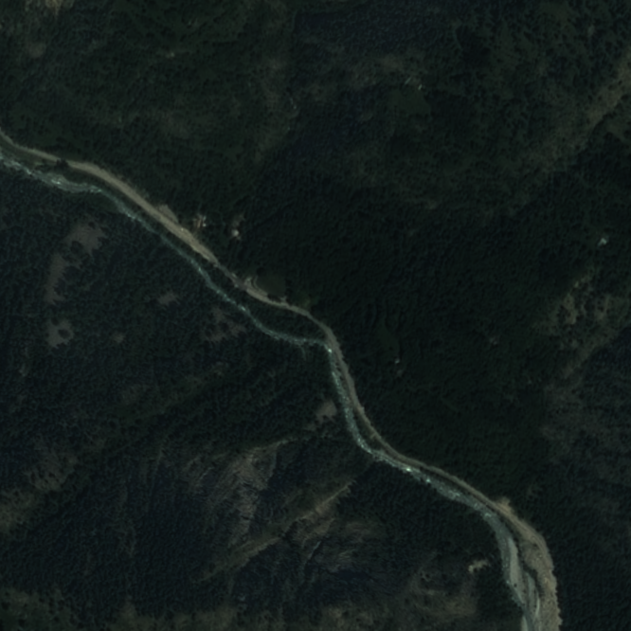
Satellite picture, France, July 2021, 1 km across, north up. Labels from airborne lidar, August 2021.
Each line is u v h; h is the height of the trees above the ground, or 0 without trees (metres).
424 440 16
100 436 9
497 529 0
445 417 17
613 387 7
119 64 11
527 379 18
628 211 11
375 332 17
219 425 9
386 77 7
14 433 8
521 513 12
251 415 8
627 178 25
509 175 9
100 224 16
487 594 12
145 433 8
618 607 13
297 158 7
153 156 13
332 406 0
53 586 10
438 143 8
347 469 8
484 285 14
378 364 19
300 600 16
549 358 14
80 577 17
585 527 18
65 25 9
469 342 16
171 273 15
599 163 23
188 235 0
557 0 12
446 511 26
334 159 8
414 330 16
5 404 11
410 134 9
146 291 8
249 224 12
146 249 13
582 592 16
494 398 13
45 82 9
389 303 16
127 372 26
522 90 12
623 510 7
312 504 7
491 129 11
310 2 12
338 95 7
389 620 8
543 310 6
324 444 13
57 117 20
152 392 10
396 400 16
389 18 8
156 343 27
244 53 9
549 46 7
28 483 20
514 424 24
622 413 6
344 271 14
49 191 27
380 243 15
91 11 10
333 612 0
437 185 7
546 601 0
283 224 9
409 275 23
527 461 13
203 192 9
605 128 10
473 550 9
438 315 16
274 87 6
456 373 14
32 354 9
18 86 20
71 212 25
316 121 11
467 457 13
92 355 20
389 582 6
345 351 13
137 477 8
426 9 13
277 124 8
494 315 10
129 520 13
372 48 8
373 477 27
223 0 8
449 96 10
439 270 13
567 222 10
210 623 0
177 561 23
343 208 28
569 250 12
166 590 25
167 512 23
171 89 12
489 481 14
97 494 18
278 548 0
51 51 8
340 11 10
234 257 12
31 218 7
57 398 8
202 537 15
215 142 7
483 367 12
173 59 8
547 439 6
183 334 25
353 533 0
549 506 10
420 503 26
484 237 26
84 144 9
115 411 9
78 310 12
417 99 0
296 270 25
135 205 8
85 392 9
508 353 16
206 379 7
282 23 6
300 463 10
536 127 10
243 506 0
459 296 15
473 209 9
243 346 24
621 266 9
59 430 12
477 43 23
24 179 7
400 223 18
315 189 8
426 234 13
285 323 14
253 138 9
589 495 9
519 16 10
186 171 15
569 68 6
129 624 0
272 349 12
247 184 11
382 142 8
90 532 21
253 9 6
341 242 22
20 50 11
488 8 14
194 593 22
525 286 16
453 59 10
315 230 18
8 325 28
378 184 7
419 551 6
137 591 18
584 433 9
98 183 7
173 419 16
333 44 9
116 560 20
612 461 6
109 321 9
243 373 9
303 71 23
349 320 19
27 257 29
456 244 23
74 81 7
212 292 14
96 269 31
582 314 8
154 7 15
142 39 11
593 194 18
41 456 13
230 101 9
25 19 7
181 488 10
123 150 12
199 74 10
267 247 19
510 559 0
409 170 13
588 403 6
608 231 12
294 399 27
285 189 25
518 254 17
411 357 10
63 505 15
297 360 18
